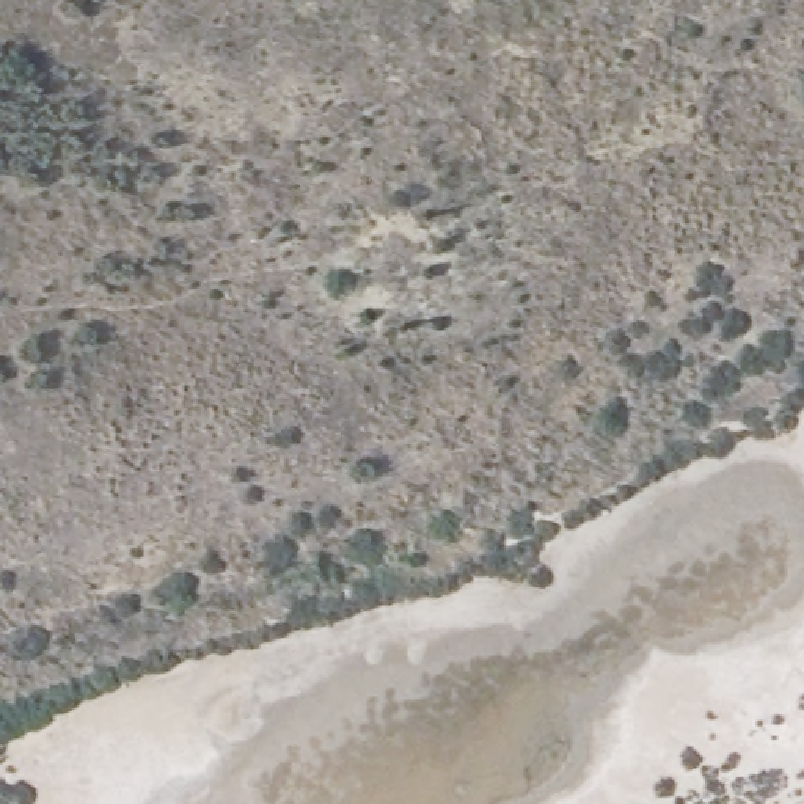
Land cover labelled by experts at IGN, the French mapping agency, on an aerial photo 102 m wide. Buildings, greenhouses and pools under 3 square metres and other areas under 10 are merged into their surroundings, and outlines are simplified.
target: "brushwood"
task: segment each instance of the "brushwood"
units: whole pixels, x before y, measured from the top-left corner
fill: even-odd
[[[622,437],[628,427],[628,405],[609,402],[603,408],[603,421],[616,437]]]
[[[192,248],[182,239],[166,236],[160,239],[154,258],[129,258],[122,251],[104,254],[91,273],[85,273],[85,283],[101,286],[110,295],[122,295],[129,292],[129,286],[110,283],[113,270],[119,270],[122,276],[148,276],[157,267],[192,273]]]
[[[666,349],[650,355],[634,355],[625,333],[612,333],[612,352],[634,380],[678,377],[678,342],[666,342]]]
[[[104,622],[113,628],[141,606],[138,594],[116,594],[107,606],[101,606]]]
[[[440,518],[430,521],[430,531],[433,537],[452,543],[462,531],[455,512],[446,509]]]
[[[188,606],[198,600],[198,578],[179,572],[160,581],[154,594],[160,603],[176,606],[176,612],[188,612]]]
[[[0,804],[35,804],[35,785],[0,779]]]
[[[430,138],[427,144],[421,144],[421,157],[430,160],[443,188],[459,188],[462,160],[443,154],[443,138]]]
[[[47,361],[57,355],[60,333],[47,330],[22,345],[25,361]]]
[[[531,587],[550,587],[553,572],[543,565],[540,550],[559,534],[553,521],[534,521],[537,503],[524,503],[509,515],[509,524],[499,534],[487,531],[484,553],[462,559],[455,572],[443,578],[399,578],[383,562],[383,534],[358,531],[349,540],[349,550],[358,556],[358,562],[367,565],[367,578],[358,581],[352,597],[302,597],[276,625],[264,625],[258,631],[229,638],[210,638],[201,647],[148,650],[138,660],[97,666],[85,678],[50,685],[31,697],[19,697],[9,704],[0,697],[0,747],[13,738],[50,725],[53,716],[75,710],[85,700],[110,694],[119,685],[138,682],[144,675],[170,672],[185,660],[254,650],[292,631],[333,625],[377,606],[446,597],[474,578],[503,578]]]
[[[722,399],[741,386],[744,377],[763,371],[785,371],[785,358],[795,349],[795,336],[769,330],[757,345],[741,352],[738,361],[722,361],[707,377],[707,396]]]
[[[210,204],[170,201],[170,223],[204,220],[214,214]]]
[[[327,289],[342,298],[352,289],[358,289],[358,273],[349,270],[336,270],[330,273]]]
[[[176,176],[176,170],[173,163],[163,163],[157,154],[135,141],[119,141],[101,132],[101,107],[107,94],[104,88],[85,101],[66,97],[63,88],[53,94],[41,91],[31,82],[31,66],[22,60],[25,44],[0,38],[0,179],[16,176],[22,182],[50,185],[60,176],[91,176],[101,188],[132,195],[135,182],[166,182],[170,176]]]
[[[751,317],[747,311],[735,308],[732,276],[716,264],[704,264],[697,270],[694,286],[688,289],[688,302],[704,298],[707,308],[700,314],[688,314],[682,320],[682,330],[691,336],[707,336],[713,330],[725,339],[747,333]]]
[[[38,660],[50,644],[47,628],[38,625],[25,628],[16,638],[22,660]]]
[[[656,459],[650,459],[638,471],[631,484],[572,509],[565,515],[565,524],[572,531],[628,503],[669,471],[688,468],[697,459],[722,459],[738,443],[732,430],[722,430],[710,443],[669,443]]]
[[[264,575],[276,578],[289,572],[298,562],[298,543],[314,528],[333,528],[339,521],[339,506],[327,506],[320,509],[320,515],[295,512],[289,518],[289,528],[267,543]]]
[[[729,754],[722,763],[710,766],[694,747],[688,747],[682,763],[704,776],[713,804],[729,804],[725,785],[719,779],[741,763],[741,757]]]
[[[763,804],[769,795],[782,788],[785,773],[763,769],[754,773],[754,804]]]

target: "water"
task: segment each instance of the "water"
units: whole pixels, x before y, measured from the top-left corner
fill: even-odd
[[[707,625],[710,619],[741,622],[751,603],[757,603],[782,584],[788,553],[779,546],[754,543],[760,534],[769,534],[773,528],[769,518],[763,518],[741,524],[735,553],[716,562],[672,562],[656,587],[628,587],[622,612],[597,612],[597,625],[590,625],[578,641],[565,641],[556,650],[534,656],[487,656],[455,663],[440,675],[421,678],[427,697],[421,700],[396,700],[396,691],[389,688],[386,707],[377,710],[377,700],[367,697],[367,722],[361,729],[371,738],[345,741],[339,751],[323,751],[320,738],[311,738],[311,751],[320,757],[317,773],[305,779],[302,773],[292,773],[286,763],[280,763],[273,773],[264,773],[258,779],[258,791],[267,804],[506,804],[515,798],[528,798],[537,782],[550,779],[559,769],[562,757],[568,757],[568,694],[590,688],[590,678],[597,678],[603,669],[622,669],[622,663],[631,656],[641,656],[647,663],[647,653],[656,650],[663,641],[682,638],[691,628]]]

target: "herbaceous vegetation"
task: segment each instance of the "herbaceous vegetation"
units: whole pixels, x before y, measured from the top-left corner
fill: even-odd
[[[722,430],[732,430],[738,443],[782,437],[798,427],[798,418],[804,411],[804,0],[0,0],[0,38],[25,44],[22,60],[31,66],[31,82],[41,91],[53,94],[63,88],[66,97],[85,101],[104,88],[107,94],[101,107],[101,132],[119,141],[135,141],[157,154],[163,163],[173,163],[176,170],[176,176],[170,176],[166,182],[135,182],[132,195],[101,188],[91,176],[60,176],[50,185],[22,182],[16,176],[0,179],[0,697],[9,704],[19,697],[31,697],[50,685],[85,678],[97,666],[138,660],[148,650],[201,647],[210,638],[229,638],[258,631],[264,625],[276,625],[302,597],[352,597],[358,581],[367,578],[367,565],[358,562],[358,556],[349,550],[349,540],[358,531],[383,534],[383,562],[399,578],[443,578],[455,572],[462,559],[484,553],[487,531],[499,534],[509,524],[509,515],[524,503],[537,503],[534,521],[553,521],[559,534],[572,531],[565,524],[565,515],[572,509],[631,484],[638,471],[650,459],[656,459],[669,443],[710,443]],[[427,144],[430,138],[443,138],[443,154],[462,160],[459,188],[443,188],[430,160],[421,157],[421,144]],[[204,220],[170,223],[170,201],[210,204],[214,214]],[[336,270],[327,254],[352,245],[358,232],[374,229],[383,214],[389,217],[396,210],[408,210],[427,229],[427,239],[411,242],[402,232],[377,236],[367,248],[361,248],[361,254],[355,254],[355,264],[349,270],[358,273],[358,289],[383,286],[393,292],[393,298],[386,308],[361,311],[361,320],[352,330],[345,330],[339,317],[342,298],[327,289],[330,273]],[[101,286],[85,283],[85,273],[91,273],[104,254],[122,251],[129,258],[154,258],[160,239],[166,236],[182,239],[192,248],[192,273],[157,267],[148,276],[122,276],[119,270],[113,270],[110,283],[129,286],[129,292],[122,295],[110,295]],[[747,333],[725,339],[713,330],[707,336],[691,336],[682,330],[682,320],[688,314],[700,314],[707,308],[704,298],[688,302],[688,289],[694,286],[697,270],[704,264],[716,264],[732,276],[735,308],[747,311],[751,317]],[[25,361],[22,345],[47,330],[60,333],[57,355],[47,361]],[[795,336],[795,349],[785,358],[785,371],[763,371],[744,377],[741,386],[722,399],[707,396],[707,377],[722,361],[738,361],[741,352],[757,345],[769,330]],[[666,349],[666,342],[678,342],[678,377],[634,380],[612,352],[612,333],[625,333],[634,355],[650,355]],[[609,402],[628,405],[628,427],[622,437],[616,437],[603,421],[603,408]],[[327,506],[339,506],[339,521],[333,528],[314,528],[298,543],[298,562],[289,572],[276,578],[264,575],[267,543],[289,528],[289,518],[295,512],[320,515],[320,509]],[[440,518],[446,509],[455,512],[462,531],[452,543],[433,537],[430,531],[430,521]],[[188,606],[188,612],[176,612],[176,606],[160,603],[154,594],[160,581],[179,572],[198,578],[198,600]],[[113,628],[104,622],[101,606],[107,606],[116,594],[138,594],[141,606]],[[47,628],[50,644],[38,660],[22,660],[16,638],[25,628],[38,625]]]

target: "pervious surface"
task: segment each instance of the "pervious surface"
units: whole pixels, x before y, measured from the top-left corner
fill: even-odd
[[[393,292],[383,286],[358,289],[352,289],[342,298],[339,317],[345,330],[352,330],[361,320],[361,311],[386,308],[393,298]]]
[[[568,757],[562,757],[559,769],[550,779],[537,782],[528,798],[515,798],[506,804],[713,804],[704,776],[682,763],[688,747],[694,747],[710,766],[722,763],[729,754],[741,757],[741,763],[719,779],[725,785],[729,804],[754,804],[754,773],[763,769],[785,773],[782,788],[769,795],[763,804],[804,804],[804,411],[798,418],[798,427],[782,437],[738,443],[722,459],[697,459],[688,468],[669,471],[628,503],[572,531],[559,534],[540,550],[543,565],[553,572],[550,587],[531,587],[503,578],[474,578],[446,597],[377,606],[333,625],[292,631],[254,650],[185,660],[170,672],[144,675],[138,682],[119,685],[110,694],[85,700],[75,710],[53,716],[50,725],[13,738],[0,747],[0,779],[35,785],[35,804],[267,804],[258,791],[258,779],[264,773],[273,773],[280,763],[286,763],[292,773],[302,773],[305,779],[317,773],[320,757],[311,751],[311,738],[320,738],[323,751],[339,751],[345,741],[371,738],[361,729],[367,722],[367,697],[377,700],[377,710],[386,707],[389,688],[396,691],[396,700],[421,700],[427,697],[421,678],[440,675],[455,663],[487,656],[534,656],[556,650],[565,641],[578,641],[590,625],[597,625],[597,612],[622,612],[628,587],[656,587],[672,562],[716,562],[735,553],[741,524],[763,518],[769,518],[773,528],[769,534],[760,534],[754,543],[779,546],[788,553],[782,584],[757,603],[751,603],[741,622],[710,619],[707,625],[691,628],[682,638],[663,641],[656,650],[647,653],[647,663],[641,656],[631,656],[622,663],[622,669],[603,669],[597,678],[590,678],[590,688],[568,694]]]
[[[427,239],[427,229],[408,210],[396,210],[389,217],[383,214],[374,229],[358,232],[352,245],[327,254],[336,270],[349,270],[355,264],[355,254],[361,254],[361,248],[367,248],[377,236],[402,232],[411,242]]]

